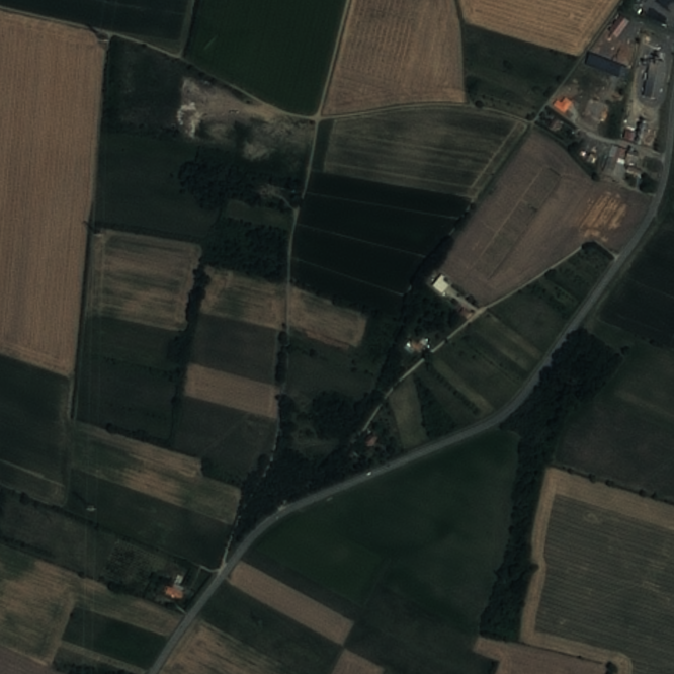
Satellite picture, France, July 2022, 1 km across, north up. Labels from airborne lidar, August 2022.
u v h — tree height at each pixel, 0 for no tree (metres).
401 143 0
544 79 0
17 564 0
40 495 0
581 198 0
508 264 0
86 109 0
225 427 0
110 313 0
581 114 0
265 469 10
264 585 0
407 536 0
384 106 0
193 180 19
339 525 0
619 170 0
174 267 0
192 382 0
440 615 0
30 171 0
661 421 0
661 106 0
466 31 0
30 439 0
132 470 0
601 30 0
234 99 0
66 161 0
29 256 0
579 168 0
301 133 0
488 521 0
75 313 0
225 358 0
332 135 0
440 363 0
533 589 0
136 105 0
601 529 0
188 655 0
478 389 0
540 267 0
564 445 0
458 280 0
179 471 0
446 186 0
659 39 0
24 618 0
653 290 0
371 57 0
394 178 0
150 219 0
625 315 0
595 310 0
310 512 0
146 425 0
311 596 0
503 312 0
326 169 0
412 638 0
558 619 0
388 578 0
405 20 0
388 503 0
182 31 0
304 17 0
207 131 0
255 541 0
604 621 0
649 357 0
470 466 0
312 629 0
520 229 0
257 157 0
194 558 0
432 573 0
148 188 0
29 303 0
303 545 0
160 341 0
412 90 0
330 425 12
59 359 0
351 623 0
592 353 13
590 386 13
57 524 0
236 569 0
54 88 0
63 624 0
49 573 0
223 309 0
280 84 0
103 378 0
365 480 0
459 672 0
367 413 7
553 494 0
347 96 0
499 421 0
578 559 0
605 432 0
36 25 0
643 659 0
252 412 0
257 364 0
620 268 0
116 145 0
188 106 0
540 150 0
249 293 0
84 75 0
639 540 0
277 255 10
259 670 0
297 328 0
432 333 11
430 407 10
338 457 13
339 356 0
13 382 0
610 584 0
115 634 0
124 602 0
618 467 0
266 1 0
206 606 0
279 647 0
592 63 0
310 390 0
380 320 12
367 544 0
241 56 0
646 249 0
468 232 0
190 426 0
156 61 0
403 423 0
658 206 0
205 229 0
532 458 8
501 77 0
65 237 0
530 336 0
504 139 0
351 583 0
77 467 0
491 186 0
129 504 0
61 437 0
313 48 0
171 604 8
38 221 0
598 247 13
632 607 0
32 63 0
